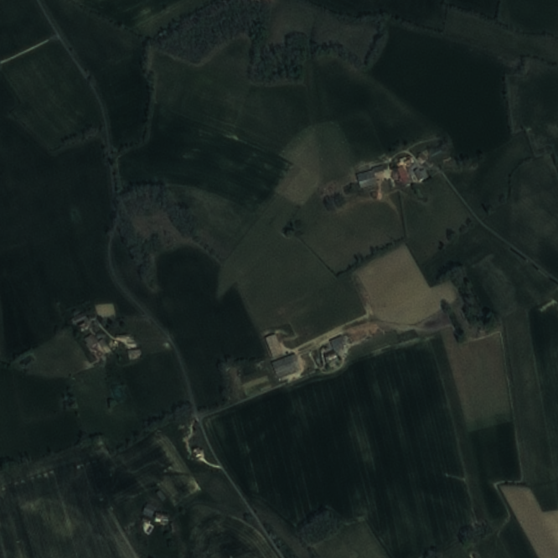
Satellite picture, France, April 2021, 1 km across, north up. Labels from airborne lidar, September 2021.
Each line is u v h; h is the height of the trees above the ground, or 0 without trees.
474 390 0
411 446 0
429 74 0
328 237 0
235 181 0
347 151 0
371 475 0
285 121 0
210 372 0
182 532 0
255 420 0
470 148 0
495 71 0
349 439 0
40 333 0
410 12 0
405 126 0
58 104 0
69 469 0
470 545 24
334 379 0
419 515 0
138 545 0
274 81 16
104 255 0
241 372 0
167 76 0
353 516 0
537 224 0
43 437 0
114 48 0
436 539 0
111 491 0
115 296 0
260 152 0
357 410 0
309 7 10
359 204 0
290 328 0
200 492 0
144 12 0
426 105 0
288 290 0
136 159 0
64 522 0
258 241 0
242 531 0
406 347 0
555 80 0
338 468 0
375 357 0
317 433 0
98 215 0
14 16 0
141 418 0
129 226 21
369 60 13
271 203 0
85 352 0
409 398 0
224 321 0
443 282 13
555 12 0
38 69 0
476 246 0
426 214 0
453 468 0
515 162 0
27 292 0
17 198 0
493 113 0
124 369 0
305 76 19
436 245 0
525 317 0
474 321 22
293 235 13
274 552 0
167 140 0
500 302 0
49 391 0
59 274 0
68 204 0
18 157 0
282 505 0
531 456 0
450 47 0
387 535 0
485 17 11
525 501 0
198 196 0
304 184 0
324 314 0
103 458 0
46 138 0
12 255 0
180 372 0
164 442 0
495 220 0
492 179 0
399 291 0
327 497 0
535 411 0
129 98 0
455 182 0
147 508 0
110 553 0
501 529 0
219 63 0
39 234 0
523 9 0
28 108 0
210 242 0
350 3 0
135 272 0
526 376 0
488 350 0
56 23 0
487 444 0
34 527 0
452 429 0
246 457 0
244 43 0
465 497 0
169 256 0
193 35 22
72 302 0
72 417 0
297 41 15
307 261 0
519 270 0
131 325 0
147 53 15
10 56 0
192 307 0
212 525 0
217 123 0
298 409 0
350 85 0
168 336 0
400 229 0
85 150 0
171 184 0
